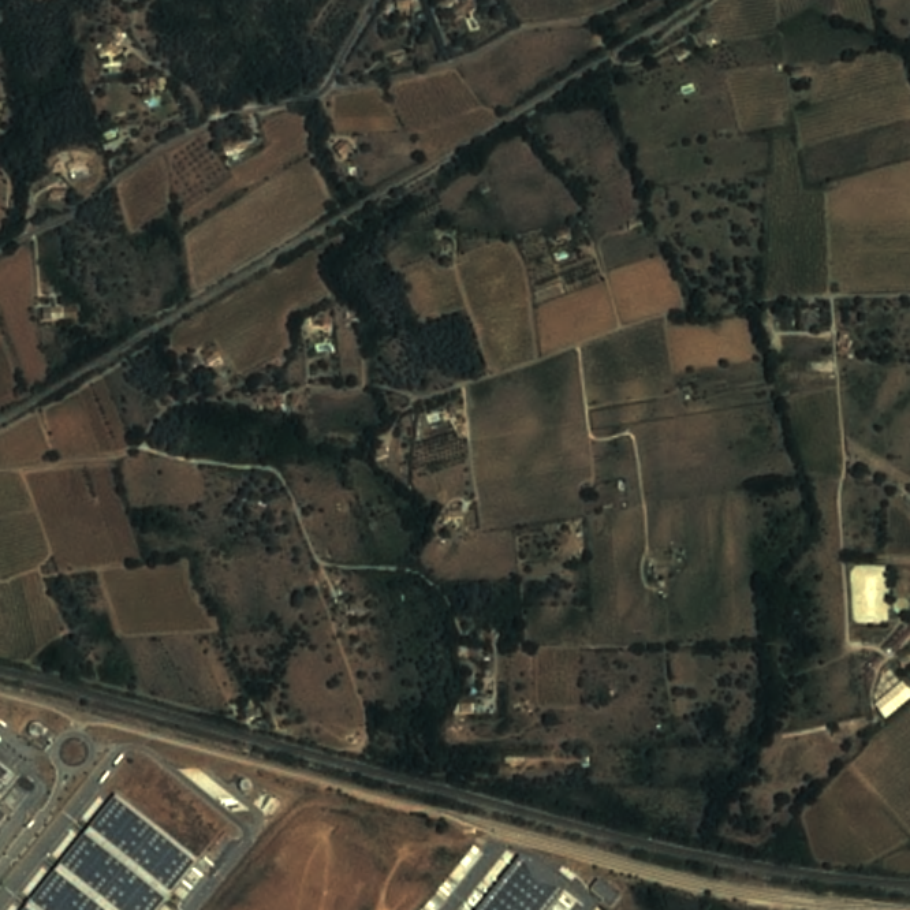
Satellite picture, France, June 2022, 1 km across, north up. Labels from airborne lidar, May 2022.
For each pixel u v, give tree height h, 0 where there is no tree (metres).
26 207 15
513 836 0
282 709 7
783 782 0
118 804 0
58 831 0
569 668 0
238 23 8
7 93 7
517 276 0
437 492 0
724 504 0
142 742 0
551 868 0
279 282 0
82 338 7
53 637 0
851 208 0
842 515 0
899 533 0
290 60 12
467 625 10
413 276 0
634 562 0
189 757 0
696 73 0
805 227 0
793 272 0
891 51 12
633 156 9
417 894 0
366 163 0
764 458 0
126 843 0
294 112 12
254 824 0
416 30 14
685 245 7
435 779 8
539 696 0
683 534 0
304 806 0
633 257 0
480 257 0
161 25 10
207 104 8
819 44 0
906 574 0
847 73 0
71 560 0
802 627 8
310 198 0
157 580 0
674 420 0
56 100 9
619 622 0
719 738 13
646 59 10
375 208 13
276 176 0
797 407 0
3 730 0
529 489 0
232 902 0
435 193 11
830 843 0
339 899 0
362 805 0
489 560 0
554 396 0
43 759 0
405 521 9
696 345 0
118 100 0
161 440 18
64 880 0
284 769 0
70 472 0
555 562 0
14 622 0
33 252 0
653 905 8
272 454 6
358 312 14
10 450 0
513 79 0
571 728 0
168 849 0
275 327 0
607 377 0
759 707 7
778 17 0
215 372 13
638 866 0
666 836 9
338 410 0
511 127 15
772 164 0
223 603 0
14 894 0
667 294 0
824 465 0
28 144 16
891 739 0
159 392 16
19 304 0
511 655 15
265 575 0
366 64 8
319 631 0
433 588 10
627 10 13
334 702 0
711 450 0
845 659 0
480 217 0
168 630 0
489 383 0
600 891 0
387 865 0
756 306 8
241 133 19
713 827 21
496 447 0
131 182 0
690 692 11
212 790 0
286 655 6
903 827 0
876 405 0
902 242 0
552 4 0
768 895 0
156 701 6
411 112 0
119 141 0
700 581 0
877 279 0
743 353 0
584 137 0
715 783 15
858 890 10
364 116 0
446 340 15
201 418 9
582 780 11
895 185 0
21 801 0
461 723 0
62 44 8
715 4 0
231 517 11
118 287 6
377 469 6
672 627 0
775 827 10
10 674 0
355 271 21
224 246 0
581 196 11
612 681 0
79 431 0
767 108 0
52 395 8
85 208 19
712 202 0
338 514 0
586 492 12
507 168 0
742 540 0
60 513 0
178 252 7
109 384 0
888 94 0
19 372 12
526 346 0
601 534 0
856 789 0
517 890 0
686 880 0
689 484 0
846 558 12
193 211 0
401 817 0
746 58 0
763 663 11
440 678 11
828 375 0
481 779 6
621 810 9
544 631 0
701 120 0
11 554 0
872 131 0
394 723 8
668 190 7
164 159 0
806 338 0
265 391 7
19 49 10
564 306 0
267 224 0
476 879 0
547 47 0
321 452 11
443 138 0
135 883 0
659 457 0
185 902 0
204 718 7
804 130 0
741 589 0
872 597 0
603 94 8
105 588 0
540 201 0
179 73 8
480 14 8
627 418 0
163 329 8
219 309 0
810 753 0
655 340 0
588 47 0
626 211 0
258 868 0
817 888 6
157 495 0
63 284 5
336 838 0
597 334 0
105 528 0
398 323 18
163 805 0
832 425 0
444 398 7
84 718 0
